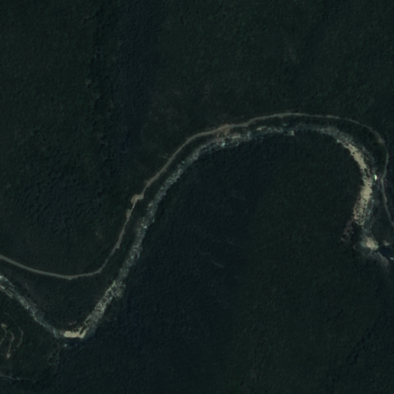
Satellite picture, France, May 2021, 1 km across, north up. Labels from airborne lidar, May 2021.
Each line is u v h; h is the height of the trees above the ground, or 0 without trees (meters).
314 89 10
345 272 13
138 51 9
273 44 5
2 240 7
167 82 8
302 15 10
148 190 11
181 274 7
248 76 8
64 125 14
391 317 10
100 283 8
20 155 10
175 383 6
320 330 9
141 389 8
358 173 8
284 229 16
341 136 0
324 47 8
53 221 19
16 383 19
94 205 26
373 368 13
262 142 6
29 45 7
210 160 12
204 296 9
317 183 14
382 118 10
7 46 6
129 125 9
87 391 10
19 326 9
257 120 9
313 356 8
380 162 14
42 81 14
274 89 13
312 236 18
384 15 12
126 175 7
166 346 10
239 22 10
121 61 7
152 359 7
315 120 16
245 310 9
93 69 24
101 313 0
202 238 7
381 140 0
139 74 8
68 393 14
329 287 19
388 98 9
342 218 12
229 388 5
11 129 7
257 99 10
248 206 8
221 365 8
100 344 8
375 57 8
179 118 6
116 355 6
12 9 14
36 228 7
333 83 8
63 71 11
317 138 10
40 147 17
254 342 12
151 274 10
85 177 17
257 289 10
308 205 13
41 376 10
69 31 11
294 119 14
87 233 9
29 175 17
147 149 8
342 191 9
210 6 7
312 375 11
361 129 10
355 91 12
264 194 9
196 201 7
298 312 11
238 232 9
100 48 24
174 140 12
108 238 9
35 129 11
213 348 8
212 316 10
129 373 11
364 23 13
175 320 6
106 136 20
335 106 11
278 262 13
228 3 11
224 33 7
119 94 11
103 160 13
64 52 9
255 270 13
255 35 6
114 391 14
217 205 7
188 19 8
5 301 10
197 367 8
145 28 8
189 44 9
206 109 7
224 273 10
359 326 14
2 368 6
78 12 9
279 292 12
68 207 24
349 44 10
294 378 10
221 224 9
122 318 9
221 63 7
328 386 18
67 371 8
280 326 12
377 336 10
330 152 7
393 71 6
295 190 12
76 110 10
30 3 16
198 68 7
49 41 10
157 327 11
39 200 21
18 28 11
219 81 8
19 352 12
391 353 13
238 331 9
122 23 9
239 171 12
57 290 8
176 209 7
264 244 17
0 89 8
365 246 0
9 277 10
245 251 5
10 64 7
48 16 14
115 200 21
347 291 21
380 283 12
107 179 18
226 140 0
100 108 21
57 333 0
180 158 8
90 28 18
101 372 10
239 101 10
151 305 13
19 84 12
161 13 6
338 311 9
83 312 14
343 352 13
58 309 6
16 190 9
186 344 8
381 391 6
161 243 7
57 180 27
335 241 16
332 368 13
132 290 6
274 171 12
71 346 8
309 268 11
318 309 14
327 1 16
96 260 9
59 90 14
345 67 8
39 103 6
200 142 6
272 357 11
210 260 7
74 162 14
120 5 7
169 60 10
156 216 6
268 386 6
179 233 9
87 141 11
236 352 8
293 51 6
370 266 12
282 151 10
